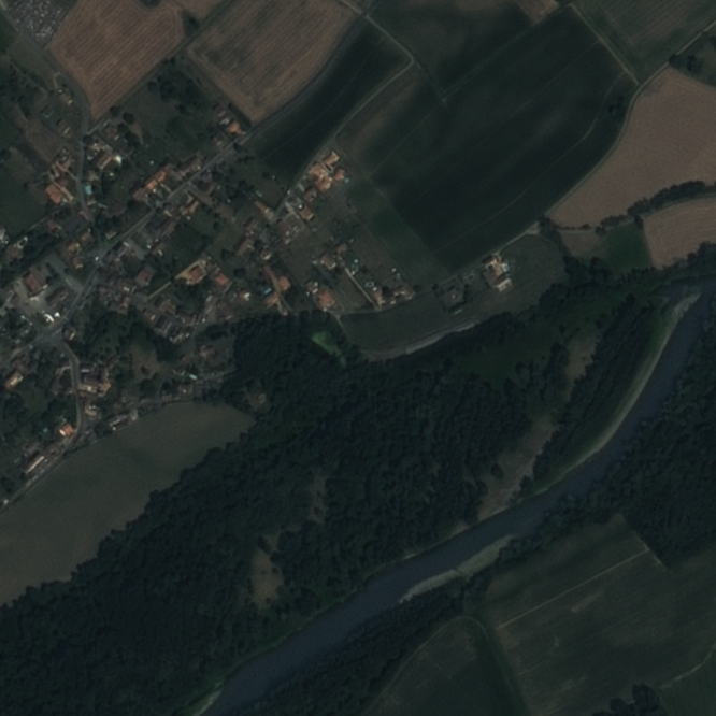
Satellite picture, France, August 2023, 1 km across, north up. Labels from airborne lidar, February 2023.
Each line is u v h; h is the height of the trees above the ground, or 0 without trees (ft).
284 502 49
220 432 0
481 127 0
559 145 0
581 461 0
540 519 0
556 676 0
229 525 64
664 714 85
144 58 0
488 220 0
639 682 0
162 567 83
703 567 0
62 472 0
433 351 41
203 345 0
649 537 20
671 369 0
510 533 0
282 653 0
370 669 101
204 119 0
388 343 0
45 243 45
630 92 0
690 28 0
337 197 0
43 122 0
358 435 66
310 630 0
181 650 126
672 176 0
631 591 0
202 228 0
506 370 0
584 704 0
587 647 0
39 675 31
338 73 0
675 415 34
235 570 87
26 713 107
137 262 0
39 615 77
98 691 100
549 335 0
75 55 0
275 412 35
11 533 0
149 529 41
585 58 0
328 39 0
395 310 0
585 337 0
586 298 54
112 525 0
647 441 56
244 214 0
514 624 0
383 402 39
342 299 0
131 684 65
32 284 0
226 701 0
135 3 0
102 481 0
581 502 21
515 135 0
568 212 0
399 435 76
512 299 0
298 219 0
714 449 66
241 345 36
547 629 0
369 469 102
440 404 98
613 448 0
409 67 0
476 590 55
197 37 0
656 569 0
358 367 21
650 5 0
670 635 0
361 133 0
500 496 0
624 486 64
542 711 0
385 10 0
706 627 0
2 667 62
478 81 0
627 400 0
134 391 0
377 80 0
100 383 0
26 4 0
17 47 0
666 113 0
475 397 94
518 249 0
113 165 0
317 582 107
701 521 30
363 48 0
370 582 0
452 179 0
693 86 0
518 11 0
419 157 0
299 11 0
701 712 0
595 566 0
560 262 0
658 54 0
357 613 0
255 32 0
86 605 115
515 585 0
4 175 0
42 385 38
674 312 0
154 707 91
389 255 0
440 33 0
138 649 129
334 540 26
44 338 0
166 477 0
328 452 104
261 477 58
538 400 0
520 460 0
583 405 84
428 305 0
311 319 46
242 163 37
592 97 0
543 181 0
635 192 0
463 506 70
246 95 0
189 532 79
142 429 0
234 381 30
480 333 47
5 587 0
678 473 57
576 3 0
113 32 0
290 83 0
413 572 0
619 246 0
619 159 0
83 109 0
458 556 0
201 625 80
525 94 0
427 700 0
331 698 94
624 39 0
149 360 0
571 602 0
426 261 0
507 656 0
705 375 56
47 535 0
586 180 0
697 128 0
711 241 0
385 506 56
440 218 0
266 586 0
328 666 89
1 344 0
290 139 0
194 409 0
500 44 0
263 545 0
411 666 0
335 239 0
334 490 56
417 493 39
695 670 0
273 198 0
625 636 0
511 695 0
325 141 0
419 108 0
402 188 0
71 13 0
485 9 0
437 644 0
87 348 21
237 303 0
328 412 0
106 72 0
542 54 0
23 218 0
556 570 0
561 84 0
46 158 0
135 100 0
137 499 0
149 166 0
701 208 0
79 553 0
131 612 131
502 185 0
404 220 0
